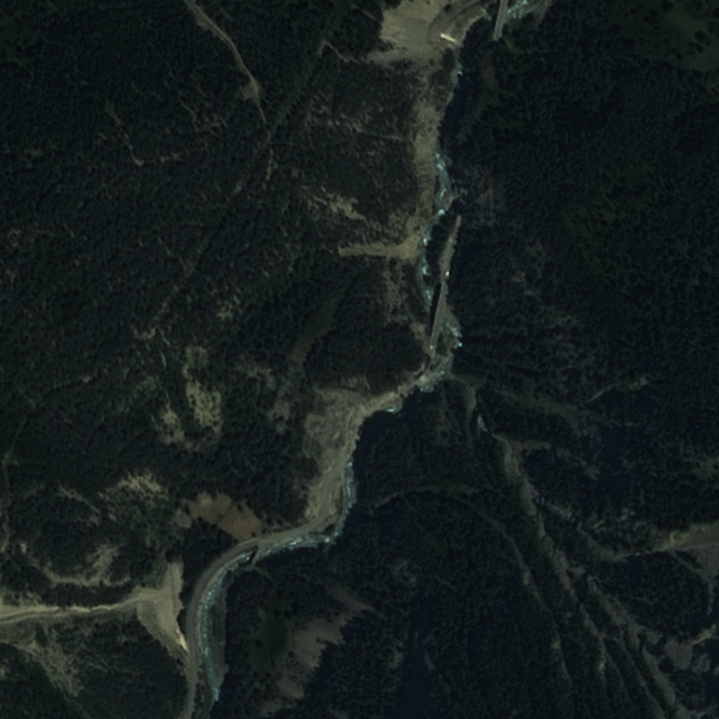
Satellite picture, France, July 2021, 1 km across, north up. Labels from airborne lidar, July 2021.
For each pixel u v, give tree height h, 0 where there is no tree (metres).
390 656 12
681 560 10
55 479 10
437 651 11
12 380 16
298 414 9
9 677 7
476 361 13
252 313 17
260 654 0
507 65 28
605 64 13
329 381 13
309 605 21
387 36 0
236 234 12
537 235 10
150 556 16
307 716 11
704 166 10
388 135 6
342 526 0
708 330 10
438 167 0
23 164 12
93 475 14
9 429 9
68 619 0
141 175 13
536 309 13
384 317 15
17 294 17
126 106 19
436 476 13
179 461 14
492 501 14
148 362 10
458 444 11
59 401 7
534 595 9
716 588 0
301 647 0
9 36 0
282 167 14
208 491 13
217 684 0
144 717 10
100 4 16
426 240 0
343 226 9
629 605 12
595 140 30
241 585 16
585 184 14
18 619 0
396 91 14
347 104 11
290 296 25
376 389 11
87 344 13
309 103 13
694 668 0
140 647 13
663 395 14
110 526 11
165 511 6
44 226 16
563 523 6
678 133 27
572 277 16
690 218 20
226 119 19
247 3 8
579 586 11
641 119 28
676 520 15
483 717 18
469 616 19
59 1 25
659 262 14
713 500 18
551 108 35
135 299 8
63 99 23
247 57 21
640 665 13
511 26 11
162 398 7
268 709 0
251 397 9
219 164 14
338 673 10
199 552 18
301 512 10
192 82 19
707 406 13
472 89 13
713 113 23
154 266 17
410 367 11
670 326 22
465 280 14
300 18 19
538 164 28
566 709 7
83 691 5
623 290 10
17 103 18
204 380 12
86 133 14
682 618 13
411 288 8
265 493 18
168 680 11
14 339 7
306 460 11
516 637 11
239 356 8
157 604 0
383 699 11
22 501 15
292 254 9
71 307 23
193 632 0
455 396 9
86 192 13
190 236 11
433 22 0
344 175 12
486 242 13
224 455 18
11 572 10
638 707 9
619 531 7
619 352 15
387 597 14
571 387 7
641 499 9
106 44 15
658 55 6
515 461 0
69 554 13
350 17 7
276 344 13
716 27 8
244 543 0
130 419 12
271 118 16
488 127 14
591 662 12
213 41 17
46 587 8
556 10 12
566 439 7
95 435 17
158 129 8
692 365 9
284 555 9
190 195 16
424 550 22
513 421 14
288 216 15
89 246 14
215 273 12
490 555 27
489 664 18
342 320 22
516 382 11
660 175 16
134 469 9
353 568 7
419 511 16
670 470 14
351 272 19
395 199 11
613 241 16
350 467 0
